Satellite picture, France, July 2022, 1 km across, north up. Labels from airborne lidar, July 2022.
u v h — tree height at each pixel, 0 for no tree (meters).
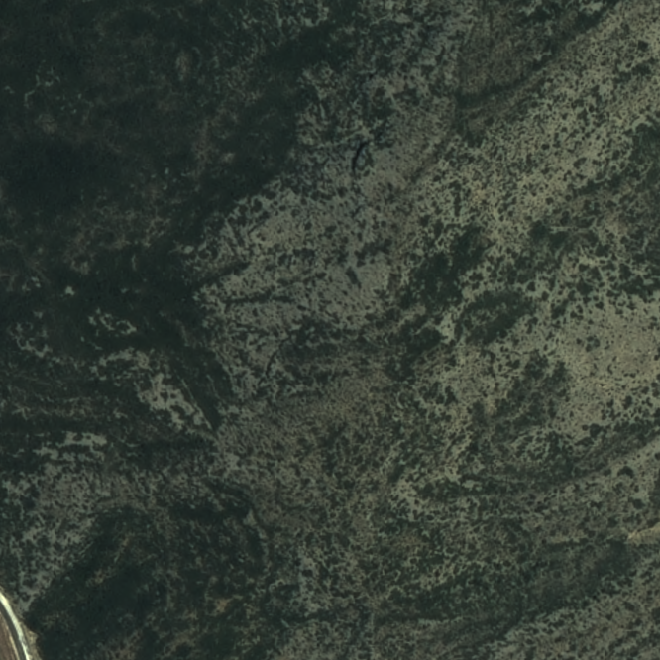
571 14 0
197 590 0
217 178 0
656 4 0
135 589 0
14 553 0
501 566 7
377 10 0
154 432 0
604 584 0
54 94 0
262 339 0
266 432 0
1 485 0
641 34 0
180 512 0
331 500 0
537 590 0
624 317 0
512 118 0
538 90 0
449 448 0
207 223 0
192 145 0
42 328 0
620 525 0
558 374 0
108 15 0
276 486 0
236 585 0
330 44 0
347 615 0
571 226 0
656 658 0
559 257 0
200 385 0
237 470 0
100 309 0
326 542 0
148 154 0
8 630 0
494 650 0
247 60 0
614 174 0
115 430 0
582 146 0
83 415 0
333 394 0
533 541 0
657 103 0
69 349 0
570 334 0
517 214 0
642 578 0
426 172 0
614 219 0
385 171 0
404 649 0
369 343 0
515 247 0
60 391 0
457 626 0
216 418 0
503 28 0
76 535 0
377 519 0
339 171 0
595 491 0
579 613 0
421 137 0
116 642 0
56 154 5
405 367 0
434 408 0
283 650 0
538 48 0
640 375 0
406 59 0
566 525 0
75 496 0
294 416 0
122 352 0
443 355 0
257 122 0
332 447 0
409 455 0
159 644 0
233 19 0
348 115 0
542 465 0
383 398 0
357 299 0
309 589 0
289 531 0
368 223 0
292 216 0
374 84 0
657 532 0
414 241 0
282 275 0
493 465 0
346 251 0
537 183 0
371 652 0
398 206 0
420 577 0
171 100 0
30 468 0
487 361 0
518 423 0
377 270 0
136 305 0
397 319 0
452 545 0
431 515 0
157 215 0
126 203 0
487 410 0
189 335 0
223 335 0
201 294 0
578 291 0
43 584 0
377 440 0
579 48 0
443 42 0
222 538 0
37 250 0
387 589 0
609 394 0
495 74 0
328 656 0
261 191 0
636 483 0
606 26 0
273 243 0
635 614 0
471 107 0
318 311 0
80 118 0
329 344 0
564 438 0
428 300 0
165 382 0
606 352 0
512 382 0
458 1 0
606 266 0
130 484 0
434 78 0
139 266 0
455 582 0
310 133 0
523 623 0
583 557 0
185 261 0
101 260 0
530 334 0
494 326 0
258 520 0
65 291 0
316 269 0
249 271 0
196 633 0
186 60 0
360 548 0
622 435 0
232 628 0
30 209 0
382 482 0
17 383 0
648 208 0
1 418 0
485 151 0
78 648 0
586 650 0
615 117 0
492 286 0
